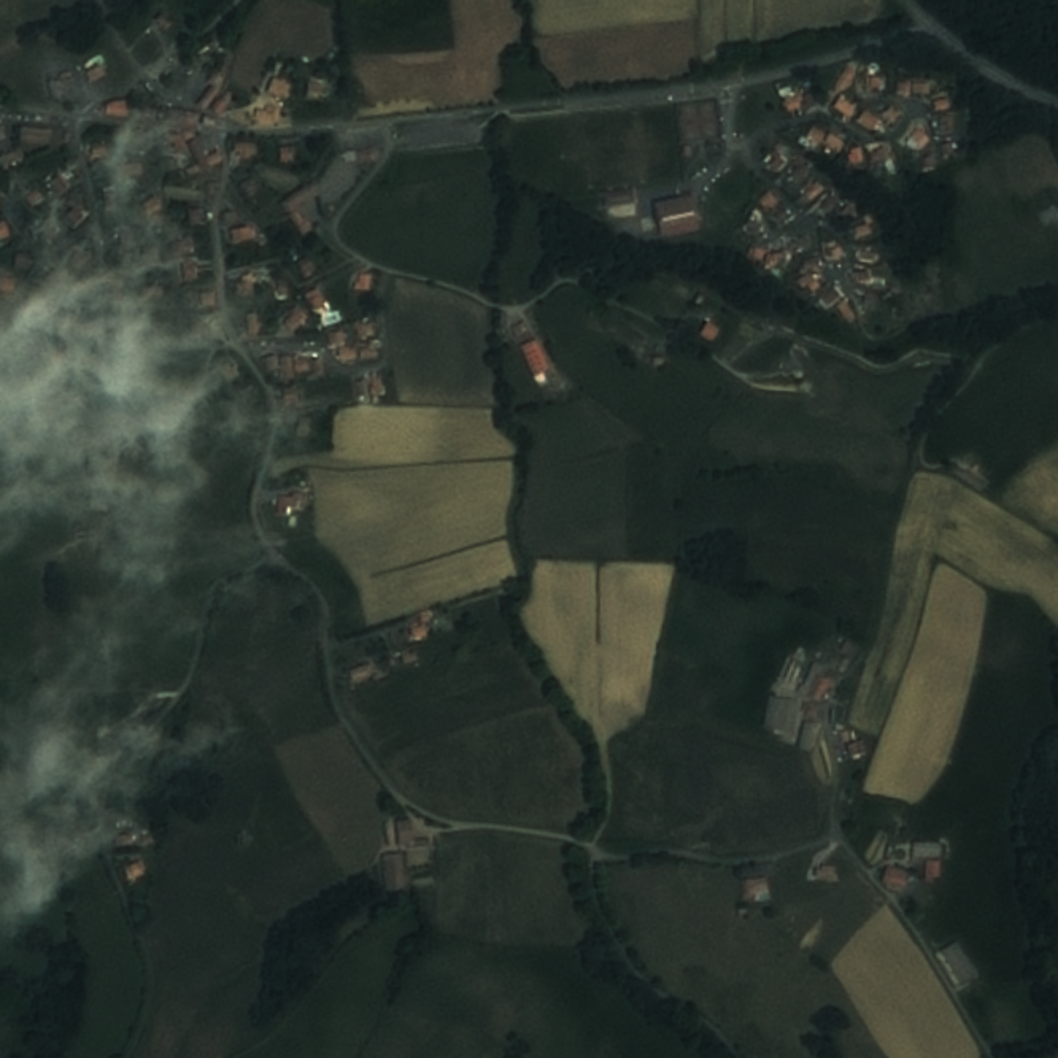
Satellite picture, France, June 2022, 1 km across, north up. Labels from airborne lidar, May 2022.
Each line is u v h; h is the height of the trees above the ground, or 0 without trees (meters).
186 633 0
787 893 0
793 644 0
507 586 13
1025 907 15
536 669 18
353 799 0
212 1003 0
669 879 0
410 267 0
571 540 0
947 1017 0
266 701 0
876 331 7
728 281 8
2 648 0
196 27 23
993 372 0
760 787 0
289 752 0
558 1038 0
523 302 0
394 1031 0
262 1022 17
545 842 0
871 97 0
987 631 0
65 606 12
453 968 0
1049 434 0
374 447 0
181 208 6
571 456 0
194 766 17
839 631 6
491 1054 0
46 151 6
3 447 0
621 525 0
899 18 12
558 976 0
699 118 0
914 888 0
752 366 0
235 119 0
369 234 0
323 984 0
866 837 0
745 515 0
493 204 0
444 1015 0
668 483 0
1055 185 0
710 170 0
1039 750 13
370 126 0
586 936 9
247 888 0
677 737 0
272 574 10
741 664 0
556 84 7
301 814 0
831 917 0
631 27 0
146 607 0
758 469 9
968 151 8
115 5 10
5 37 0
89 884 0
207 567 0
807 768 0
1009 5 16
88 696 0
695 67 15
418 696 0
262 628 0
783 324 0
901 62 18
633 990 17
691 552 14
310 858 0
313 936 22
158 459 0
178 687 0
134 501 0
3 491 0
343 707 0
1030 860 24
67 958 21
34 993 10
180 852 0
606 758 0
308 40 0
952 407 0
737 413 0
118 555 0
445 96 0
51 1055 17
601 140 0
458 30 0
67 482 0
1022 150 0
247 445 0
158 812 14
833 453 0
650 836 0
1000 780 0
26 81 0
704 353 17
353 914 20
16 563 0
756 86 0
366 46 0
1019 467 0
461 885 0
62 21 18
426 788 0
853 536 0
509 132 0
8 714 0
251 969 0
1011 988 0
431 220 0
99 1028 0
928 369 0
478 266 0
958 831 0
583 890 19
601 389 0
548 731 0
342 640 8
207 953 0
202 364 0
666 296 0
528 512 0
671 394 0
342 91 12
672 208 0
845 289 0
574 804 0
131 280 9
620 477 0
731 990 0
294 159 6
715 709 0
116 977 0
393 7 0
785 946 0
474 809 0
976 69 17
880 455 0
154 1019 0
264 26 0
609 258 21
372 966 0
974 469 0
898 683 0
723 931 0
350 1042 0
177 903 0
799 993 0
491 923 0
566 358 0
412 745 0
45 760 0
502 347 8
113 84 0
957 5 16
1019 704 0
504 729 0
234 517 0
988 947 0
